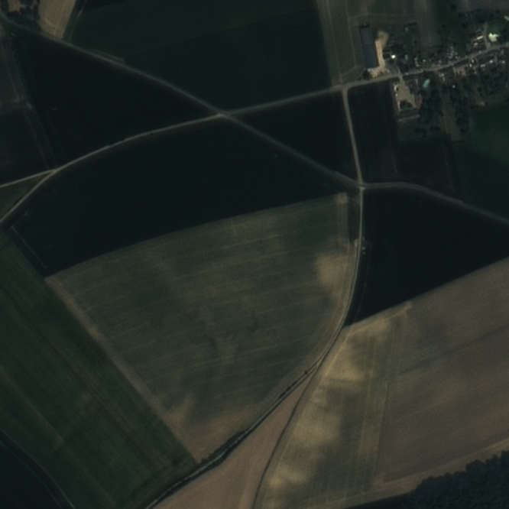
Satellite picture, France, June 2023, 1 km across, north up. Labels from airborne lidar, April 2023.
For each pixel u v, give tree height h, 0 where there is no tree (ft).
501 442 0
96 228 0
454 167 0
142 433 0
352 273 0
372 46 0
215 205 0
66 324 0
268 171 0
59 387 0
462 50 0
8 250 0
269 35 0
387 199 0
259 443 0
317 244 0
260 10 0
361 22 0
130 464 0
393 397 0
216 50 0
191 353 0
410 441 0
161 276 0
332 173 0
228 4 0
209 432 0
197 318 0
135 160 0
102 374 0
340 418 0
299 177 0
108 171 0
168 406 0
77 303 0
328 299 0
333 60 0
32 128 0
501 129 0
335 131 0
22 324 0
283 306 0
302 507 0
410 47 0
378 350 0
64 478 0
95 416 0
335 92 0
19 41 0
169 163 0
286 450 0
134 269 0
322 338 0
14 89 0
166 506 0
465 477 62
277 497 0
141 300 0
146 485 0
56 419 0
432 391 0
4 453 0
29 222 0
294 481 0
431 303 0
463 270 0
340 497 0
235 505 0
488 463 47
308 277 0
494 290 0
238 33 0
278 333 0
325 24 0
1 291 0
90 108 0
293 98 0
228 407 0
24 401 0
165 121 0
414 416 0
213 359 0
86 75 0
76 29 0
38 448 0
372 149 0
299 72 0
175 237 0
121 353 0
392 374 0
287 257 0
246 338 0
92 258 0
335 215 0
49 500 0
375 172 0
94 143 0
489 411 0
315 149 0
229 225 0
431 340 0
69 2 0
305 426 0
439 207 0
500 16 0
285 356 0
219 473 0
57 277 0
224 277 0
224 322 0
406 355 0
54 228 0
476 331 0
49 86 0
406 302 0
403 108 32
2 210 0
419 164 0
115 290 0
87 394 0
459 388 0
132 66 0
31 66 0
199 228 0
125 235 0
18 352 0
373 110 0
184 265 0
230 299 0
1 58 0
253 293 0
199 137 0
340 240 0
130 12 0
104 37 0
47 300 0
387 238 0
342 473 0
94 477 0
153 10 0
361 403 0
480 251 0
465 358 0
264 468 0
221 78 0
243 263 0
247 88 0
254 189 0
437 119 0
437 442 0
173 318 0
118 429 0
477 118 0
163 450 0
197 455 0
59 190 0
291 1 0
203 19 0
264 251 0
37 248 0
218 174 0
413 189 0
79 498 0
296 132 0
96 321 0
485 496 65
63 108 0
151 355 0
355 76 0
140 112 0
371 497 0
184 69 0
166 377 0
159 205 0
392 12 0
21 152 0
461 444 0
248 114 0
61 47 0
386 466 0
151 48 0
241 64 0
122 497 0
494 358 0
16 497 0
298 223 0
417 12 0
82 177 0
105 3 0
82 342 0
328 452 0
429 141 0
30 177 0
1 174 0
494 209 0
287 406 0
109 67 0
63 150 0
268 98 0
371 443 0
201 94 0
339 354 0
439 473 0
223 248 0
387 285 0
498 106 0
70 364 0
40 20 0
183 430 0
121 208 0
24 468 0
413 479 0
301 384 0
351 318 0
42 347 0
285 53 0
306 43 0
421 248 0
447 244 0
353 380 0
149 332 0
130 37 0
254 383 0
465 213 0
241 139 0
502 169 0
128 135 0
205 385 0
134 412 0
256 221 0
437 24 0
